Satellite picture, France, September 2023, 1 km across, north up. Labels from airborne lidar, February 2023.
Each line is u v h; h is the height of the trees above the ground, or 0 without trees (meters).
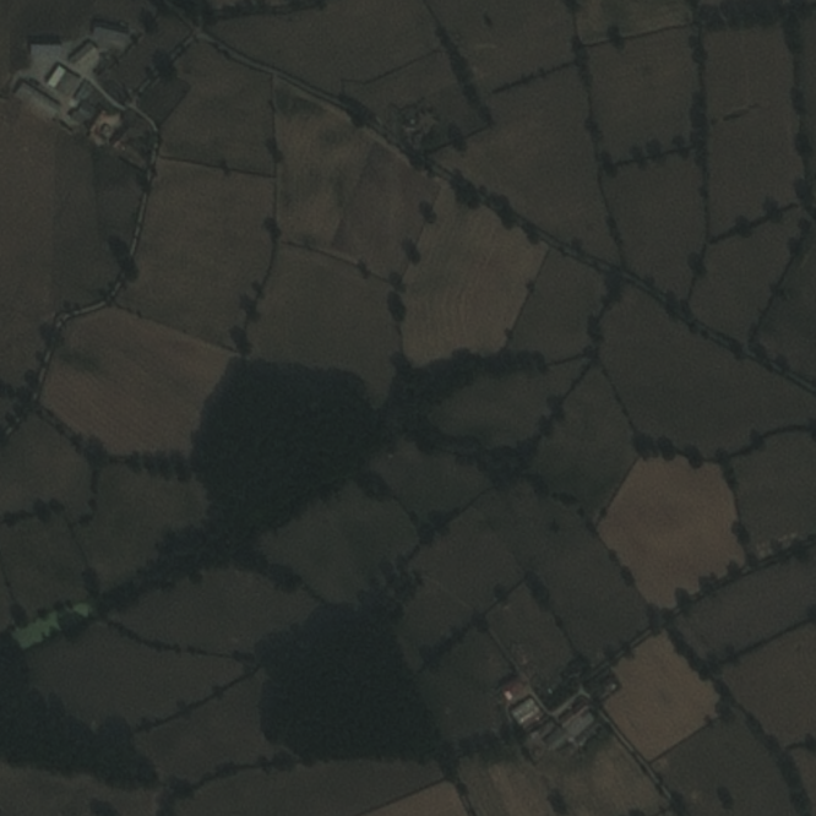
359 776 0
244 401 24
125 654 0
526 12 0
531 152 0
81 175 0
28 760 14
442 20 0
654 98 0
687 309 15
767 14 22
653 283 12
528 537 0
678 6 0
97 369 0
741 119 0
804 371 0
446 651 9
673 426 0
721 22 16
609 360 0
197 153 0
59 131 0
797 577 0
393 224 0
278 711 23
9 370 0
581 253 15
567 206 0
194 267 0
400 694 27
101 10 0
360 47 0
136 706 0
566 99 0
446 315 0
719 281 0
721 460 14
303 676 26
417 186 0
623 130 0
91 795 0
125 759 21
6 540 0
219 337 0
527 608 0
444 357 0
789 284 0
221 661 0
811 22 0
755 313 0
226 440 22
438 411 0
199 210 0
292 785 0
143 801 0
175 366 0
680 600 16
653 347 0
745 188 0
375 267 0
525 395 0
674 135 0
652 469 0
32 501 0
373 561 0
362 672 29
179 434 0
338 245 0
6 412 0
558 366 0
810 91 0
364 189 0
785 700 0
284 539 0
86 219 0
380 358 0
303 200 0
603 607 0
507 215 17
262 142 0
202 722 0
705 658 0
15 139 0
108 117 0
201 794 0
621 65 0
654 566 0
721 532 0
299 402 22
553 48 0
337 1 0
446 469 0
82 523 9
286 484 23
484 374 11
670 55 0
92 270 0
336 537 0
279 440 17
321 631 24
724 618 0
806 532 0
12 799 0
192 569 24
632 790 0
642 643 0
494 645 0
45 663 0
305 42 0
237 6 7
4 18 0
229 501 23
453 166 0
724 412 0
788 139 0
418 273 0
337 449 27
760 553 0
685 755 0
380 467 0
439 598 0
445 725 0
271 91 0
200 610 0
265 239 0
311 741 24
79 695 0
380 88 0
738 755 0
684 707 0
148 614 0
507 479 17
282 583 18
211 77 0
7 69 0
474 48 0
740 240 0
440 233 0
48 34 0
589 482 0
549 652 0
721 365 0
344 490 0
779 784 0
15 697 18
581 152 0
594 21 0
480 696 0
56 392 0
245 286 0
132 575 0
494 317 0
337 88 0
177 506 0
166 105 0
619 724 0
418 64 0
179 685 0
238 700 0
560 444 0
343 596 0
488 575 0
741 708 0
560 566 0
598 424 0
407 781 0
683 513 0
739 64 0
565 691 6
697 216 0
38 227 0
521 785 0
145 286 0
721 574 0
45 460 0
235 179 0
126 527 0
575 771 0
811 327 0
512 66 0
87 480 0
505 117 0
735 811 0
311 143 0
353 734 26
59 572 0
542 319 0
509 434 0
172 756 0
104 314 0
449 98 0
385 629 26
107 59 0
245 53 0
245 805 0
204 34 0
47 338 18
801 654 0
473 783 0
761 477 0
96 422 0
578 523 0
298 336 0
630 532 0
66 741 24
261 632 0
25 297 0
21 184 0
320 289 0
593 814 0
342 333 0
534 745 0
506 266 0
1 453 0
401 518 0
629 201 0
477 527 0
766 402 0
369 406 21
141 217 0
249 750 0
